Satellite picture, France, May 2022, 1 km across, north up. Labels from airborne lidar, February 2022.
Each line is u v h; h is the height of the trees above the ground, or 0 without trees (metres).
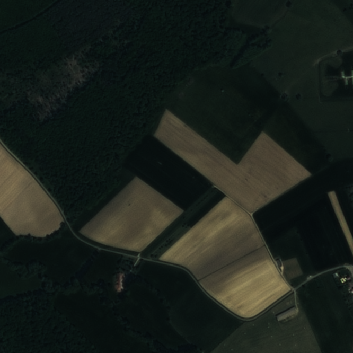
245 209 0
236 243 0
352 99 0
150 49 16
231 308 0
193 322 0
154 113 18
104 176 28
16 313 25
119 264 13
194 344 0
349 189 7
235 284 0
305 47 0
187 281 0
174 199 0
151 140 0
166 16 23
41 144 19
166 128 0
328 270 0
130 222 0
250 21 0
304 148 0
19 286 0
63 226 18
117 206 0
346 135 0
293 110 0
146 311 0
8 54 16
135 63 18
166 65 23
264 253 0
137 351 0
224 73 0
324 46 0
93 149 27
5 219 0
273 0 0
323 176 0
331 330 0
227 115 0
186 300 0
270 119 0
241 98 0
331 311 0
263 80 0
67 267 0
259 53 15
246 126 0
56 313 24
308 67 0
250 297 0
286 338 0
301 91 0
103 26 18
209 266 0
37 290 0
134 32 16
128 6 20
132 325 0
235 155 0
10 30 12
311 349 0
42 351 25
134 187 0
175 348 0
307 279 0
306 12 0
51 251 0
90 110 22
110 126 22
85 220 0
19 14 10
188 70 20
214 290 0
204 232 0
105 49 19
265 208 0
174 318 0
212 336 0
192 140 0
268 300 0
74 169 20
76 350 27
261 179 0
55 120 20
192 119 0
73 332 24
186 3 26
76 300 0
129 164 0
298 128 0
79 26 20
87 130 23
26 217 0
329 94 0
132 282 31
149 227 0
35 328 22
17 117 20
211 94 0
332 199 0
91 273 0
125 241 0
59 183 16
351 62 0
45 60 13
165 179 0
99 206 0
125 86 24
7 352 18
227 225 0
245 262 0
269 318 0
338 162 0
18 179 0
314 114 0
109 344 0
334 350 0
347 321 0
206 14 28
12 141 16
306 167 0
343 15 0
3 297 0
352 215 0
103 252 0
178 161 0
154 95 25
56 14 17
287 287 0
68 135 23
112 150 26
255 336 0
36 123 21
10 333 25
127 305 0
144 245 0
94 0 17
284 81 0
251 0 0
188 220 0
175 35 24
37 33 15
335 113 0
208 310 0
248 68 0
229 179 0
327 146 0
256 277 0
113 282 0
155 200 0
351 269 0
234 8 0
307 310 0
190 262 0
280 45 0
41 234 0
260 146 0
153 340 15
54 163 20
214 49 26
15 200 0
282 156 0
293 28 0
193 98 0
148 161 0
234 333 0
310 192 0
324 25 0
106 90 21
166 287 0
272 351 0
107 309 0
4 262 15
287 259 0
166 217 0
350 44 0
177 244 0
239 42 20
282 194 0
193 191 0
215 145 0
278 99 0
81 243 0
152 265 0
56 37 14
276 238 0
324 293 0
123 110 24
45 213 0
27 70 6
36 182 0
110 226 0
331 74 0
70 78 20
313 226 0
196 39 24
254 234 0
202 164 0
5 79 0
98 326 0
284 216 0
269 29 16
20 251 0
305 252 0
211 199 0
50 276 0
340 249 0
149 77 27
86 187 23
